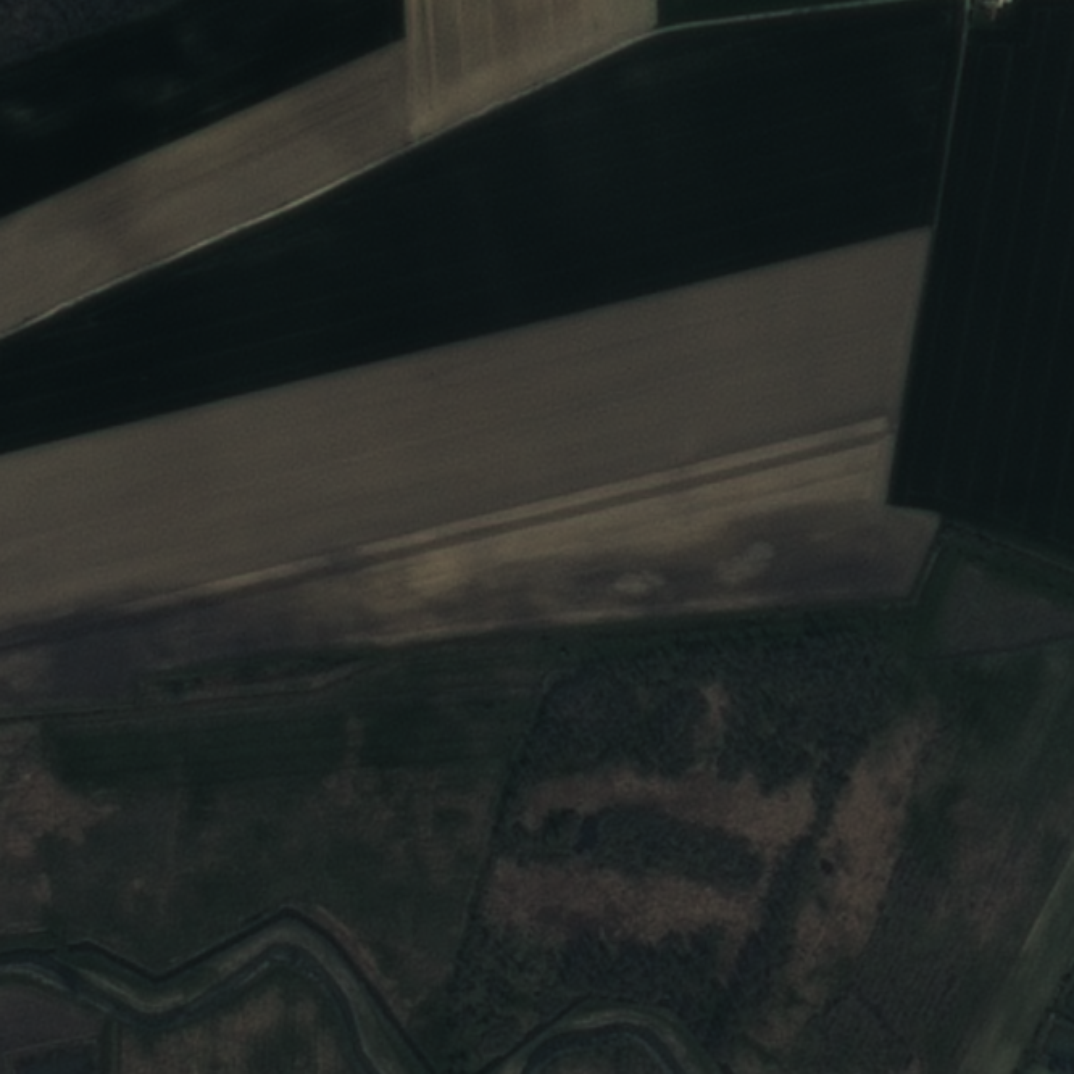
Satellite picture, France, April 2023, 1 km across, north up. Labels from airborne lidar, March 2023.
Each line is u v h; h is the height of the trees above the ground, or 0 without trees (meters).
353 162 0
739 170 0
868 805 0
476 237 0
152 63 0
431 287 0
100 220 0
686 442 0
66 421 0
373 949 0
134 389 0
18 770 0
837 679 25
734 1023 21
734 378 0
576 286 0
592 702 15
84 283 0
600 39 0
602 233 0
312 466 0
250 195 0
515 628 0
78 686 0
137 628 0
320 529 0
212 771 0
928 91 0
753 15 0
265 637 0
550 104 0
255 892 0
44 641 0
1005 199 0
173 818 0
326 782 0
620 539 0
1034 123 0
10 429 0
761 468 0
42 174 0
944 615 0
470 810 0
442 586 0
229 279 0
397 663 0
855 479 0
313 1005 0
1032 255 0
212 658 0
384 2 0
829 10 0
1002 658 0
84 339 0
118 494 0
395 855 0
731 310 0
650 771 13
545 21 0
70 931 0
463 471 0
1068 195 0
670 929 0
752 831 0
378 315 0
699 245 0
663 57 0
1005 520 0
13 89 0
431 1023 0
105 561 0
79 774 0
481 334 0
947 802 0
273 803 0
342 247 0
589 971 19
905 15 0
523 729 0
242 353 0
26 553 0
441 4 0
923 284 0
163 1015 0
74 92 0
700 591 0
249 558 0
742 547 0
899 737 0
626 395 0
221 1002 0
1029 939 0
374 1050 0
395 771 0
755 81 0
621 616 0
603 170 0
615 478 0
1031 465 0
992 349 0
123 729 0
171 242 0
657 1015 0
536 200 0
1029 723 0
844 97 0
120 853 0
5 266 0
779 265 0
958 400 0
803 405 0
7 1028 0
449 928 0
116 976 0
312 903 0
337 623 0
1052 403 0
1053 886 0
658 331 0
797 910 12
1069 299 0
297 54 0
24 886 0
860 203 0
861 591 0
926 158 0
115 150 0
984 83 0
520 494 0
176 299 0
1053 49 0
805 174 0
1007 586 0
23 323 0
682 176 0
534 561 0
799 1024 0
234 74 0
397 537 0
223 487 0
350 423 0
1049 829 0
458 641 0
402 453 0
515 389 0
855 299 0
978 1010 0
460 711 0
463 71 0
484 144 0
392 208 0
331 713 0
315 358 0
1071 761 0
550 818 0
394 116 0
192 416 0
